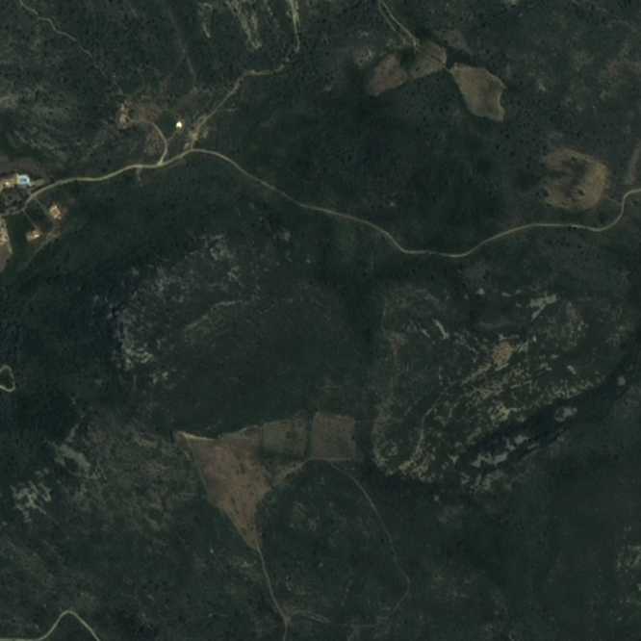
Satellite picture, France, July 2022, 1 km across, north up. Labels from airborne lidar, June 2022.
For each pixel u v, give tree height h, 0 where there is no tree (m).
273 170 0
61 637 0
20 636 0
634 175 0
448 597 0
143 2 0
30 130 0
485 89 0
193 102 0
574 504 0
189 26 8
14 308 6
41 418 10
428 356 0
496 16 9
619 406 0
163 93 0
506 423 7
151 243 8
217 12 10
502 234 0
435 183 9
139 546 0
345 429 0
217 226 0
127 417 6
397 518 0
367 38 0
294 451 0
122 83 6
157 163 0
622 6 7
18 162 0
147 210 6
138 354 0
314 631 8
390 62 0
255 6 8
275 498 0
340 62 0
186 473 0
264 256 0
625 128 0
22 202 9
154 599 0
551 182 0
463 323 6
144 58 7
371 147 6
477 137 0
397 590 0
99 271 6
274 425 0
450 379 0
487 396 0
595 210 0
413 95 7
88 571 0
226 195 0
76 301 6
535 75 0
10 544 0
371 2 7
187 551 0
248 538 0
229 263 0
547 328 0
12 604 0
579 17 7
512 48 0
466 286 10
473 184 12
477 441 7
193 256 0
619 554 0
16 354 12
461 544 9
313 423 0
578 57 0
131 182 8
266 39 9
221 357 0
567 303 0
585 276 0
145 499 0
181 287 0
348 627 0
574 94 0
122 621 10
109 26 11
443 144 6
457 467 7
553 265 0
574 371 0
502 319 0
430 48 0
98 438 0
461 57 8
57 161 0
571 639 0
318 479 0
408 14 8
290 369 0
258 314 0
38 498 0
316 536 0
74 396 6
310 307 0
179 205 9
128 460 0
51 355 6
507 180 0
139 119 0
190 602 6
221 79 6
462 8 0
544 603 0
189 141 0
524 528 7
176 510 0
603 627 0
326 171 10
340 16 9
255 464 0
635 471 0
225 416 0
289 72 10
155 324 0
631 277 8
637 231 0
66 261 10
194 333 0
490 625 0
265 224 9
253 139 0
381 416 0
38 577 0
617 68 0
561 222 0
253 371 0
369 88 0
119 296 6
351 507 0
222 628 0
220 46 7
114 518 0
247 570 0
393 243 0
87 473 0
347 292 9
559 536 0
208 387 0
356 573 0
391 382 0
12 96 0
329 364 0
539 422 9
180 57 0
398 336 0
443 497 7
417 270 9
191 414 0
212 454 0
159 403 0
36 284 7
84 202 6
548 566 0
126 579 0
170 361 0
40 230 0
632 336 6
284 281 0
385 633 0
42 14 7
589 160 0
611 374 7
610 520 0
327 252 11
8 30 10
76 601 0
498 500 8
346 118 10
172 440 6
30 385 6
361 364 7
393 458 0
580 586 0
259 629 0
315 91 9
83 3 6
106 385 6
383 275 5
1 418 12
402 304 0
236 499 0
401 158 10
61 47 6
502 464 7
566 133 5
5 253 0
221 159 0
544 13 0
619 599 0
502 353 0
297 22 0
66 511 0
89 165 0
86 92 7
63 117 0
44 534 0
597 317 0
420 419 0
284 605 0
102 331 8
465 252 0
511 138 10
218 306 0
